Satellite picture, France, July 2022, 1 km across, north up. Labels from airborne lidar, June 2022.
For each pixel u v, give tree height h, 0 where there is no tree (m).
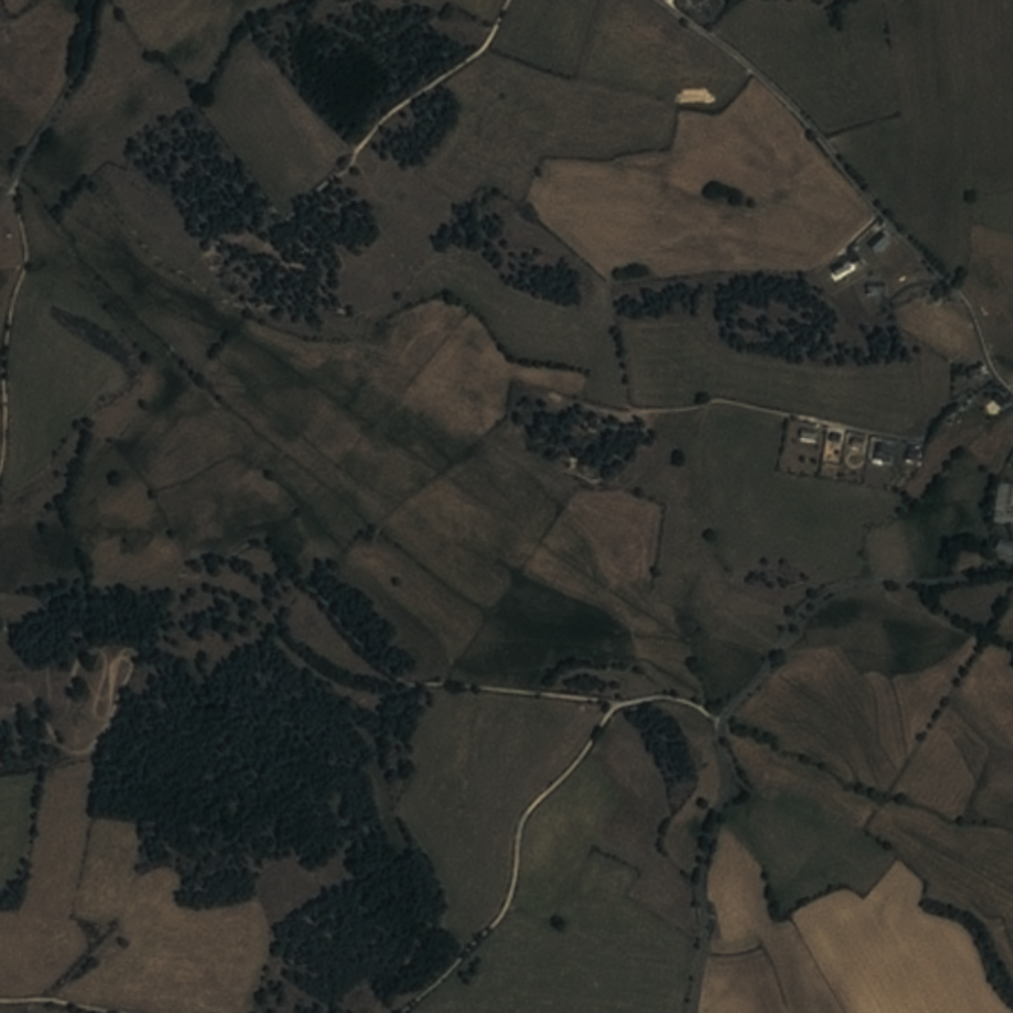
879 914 0
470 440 0
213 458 0
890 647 0
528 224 0
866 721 0
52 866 0
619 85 0
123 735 13
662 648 0
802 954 0
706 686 0
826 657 0
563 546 0
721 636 0
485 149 0
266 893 0
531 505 0
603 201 0
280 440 0
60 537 0
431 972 15
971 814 0
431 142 12
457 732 0
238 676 18
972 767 0
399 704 17
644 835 0
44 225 0
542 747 0
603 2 0
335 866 0
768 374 0
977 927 8
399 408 0
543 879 0
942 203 0
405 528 0
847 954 0
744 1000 0
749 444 0
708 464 0
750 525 0
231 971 0
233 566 15
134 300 0
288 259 16
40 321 0
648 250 0
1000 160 0
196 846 15
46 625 15
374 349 0
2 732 15
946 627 0
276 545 12
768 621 0
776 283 11
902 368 0
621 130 0
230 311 0
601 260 0
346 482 0
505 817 0
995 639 14
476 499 0
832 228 0
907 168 0
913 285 0
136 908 0
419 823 0
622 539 0
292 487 0
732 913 0
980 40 0
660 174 0
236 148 0
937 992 0
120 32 0
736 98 0
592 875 0
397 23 7
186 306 0
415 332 0
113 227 0
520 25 0
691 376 0
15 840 0
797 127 0
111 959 0
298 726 12
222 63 8
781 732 0
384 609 0
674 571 0
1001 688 0
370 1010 0
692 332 0
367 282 0
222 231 12
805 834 0
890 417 0
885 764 0
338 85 11
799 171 0
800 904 8
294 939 16
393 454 0
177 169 6
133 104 0
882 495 0
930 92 0
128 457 0
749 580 9
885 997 0
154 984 0
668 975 0
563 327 0
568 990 0
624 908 0
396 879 19
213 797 6
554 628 0
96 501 0
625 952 0
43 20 0
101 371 0
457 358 0
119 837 0
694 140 0
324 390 0
